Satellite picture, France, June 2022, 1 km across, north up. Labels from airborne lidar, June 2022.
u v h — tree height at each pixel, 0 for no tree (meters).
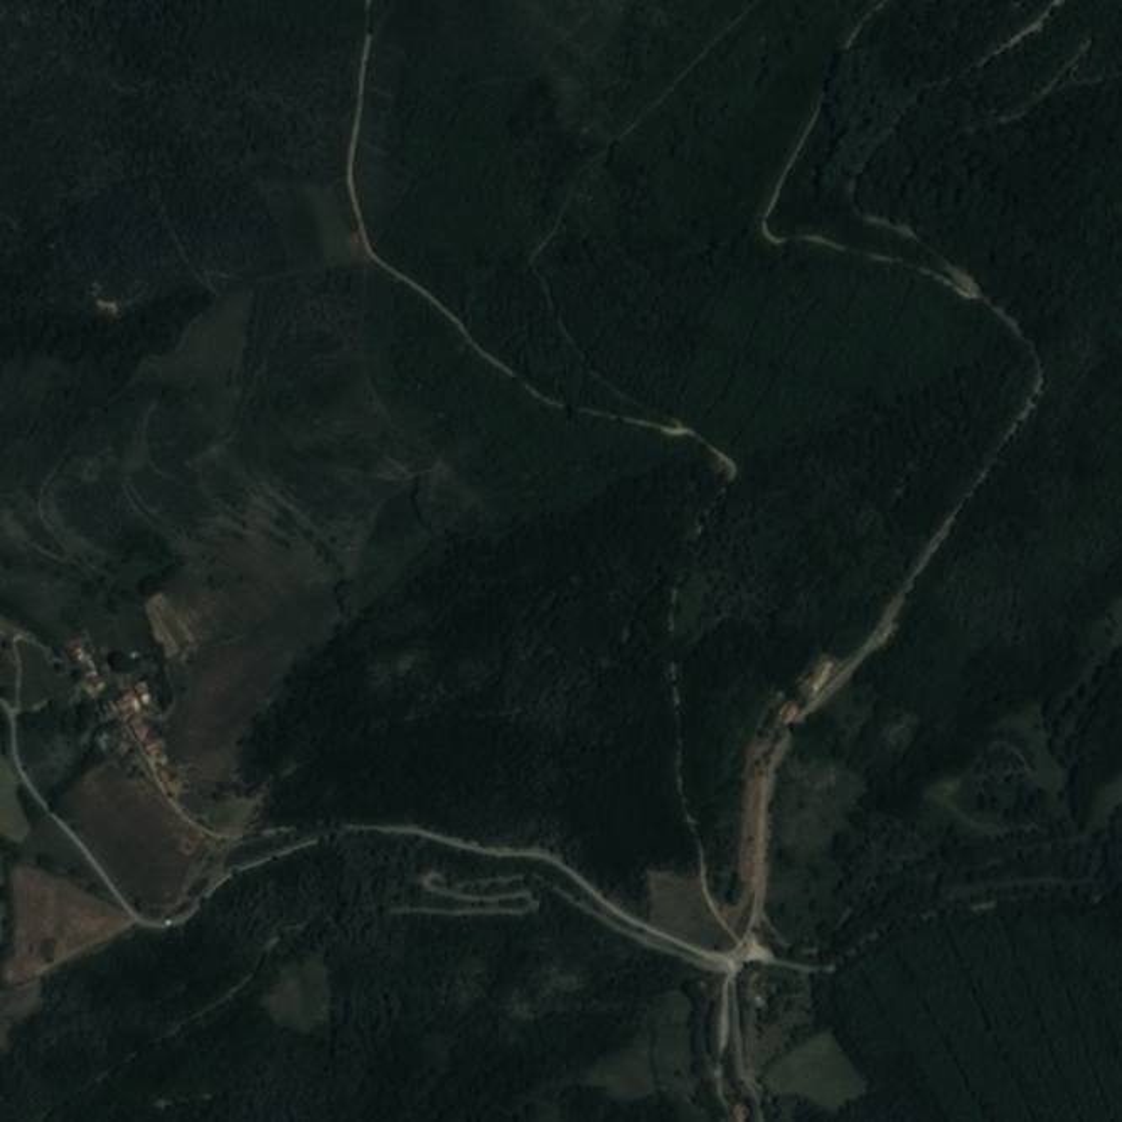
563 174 11
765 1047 0
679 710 8
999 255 24
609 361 11
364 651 6
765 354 13
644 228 9
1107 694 16
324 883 20
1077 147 26
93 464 0
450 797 10
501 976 12
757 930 9
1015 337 11
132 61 8
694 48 6
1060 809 0
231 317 0
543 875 8
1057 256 21
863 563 7
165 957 13
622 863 7
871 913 9
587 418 10
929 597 15
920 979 13
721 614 18
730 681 15
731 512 14
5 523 0
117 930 0
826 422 7
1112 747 17
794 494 6
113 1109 17
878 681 14
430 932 10
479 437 6
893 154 25
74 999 11
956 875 7
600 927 5
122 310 6
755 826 0
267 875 11
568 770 20
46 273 8
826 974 14
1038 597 13
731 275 12
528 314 11
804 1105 6
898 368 11
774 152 7
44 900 0
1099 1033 13
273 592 0
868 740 12
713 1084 8
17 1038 10
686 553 16
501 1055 13
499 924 13
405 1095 19
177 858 0
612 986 12
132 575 0
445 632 10
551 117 9
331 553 7
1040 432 13
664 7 6
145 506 0
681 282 7
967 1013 13
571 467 10
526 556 8
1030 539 9
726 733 10
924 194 23
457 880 12
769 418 11
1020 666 26
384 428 0
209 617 0
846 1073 0
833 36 7
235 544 0
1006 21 16
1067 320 17
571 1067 6
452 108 9
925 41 13
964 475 20
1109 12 19
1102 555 11
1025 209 23
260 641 0
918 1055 14
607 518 12
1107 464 18
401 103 8
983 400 22
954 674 9
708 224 10
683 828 7
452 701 7
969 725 23
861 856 14
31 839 0
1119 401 13
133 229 8
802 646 15
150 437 0
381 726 12
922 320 11
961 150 27
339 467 0
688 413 11
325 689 13
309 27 10
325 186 0
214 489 0
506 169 8
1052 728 15
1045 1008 14
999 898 7
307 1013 0
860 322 14
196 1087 16
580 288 10
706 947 0
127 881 0
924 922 12
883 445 18
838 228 11
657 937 0
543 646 16
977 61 18
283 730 7
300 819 7
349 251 0
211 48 6
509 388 11
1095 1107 13
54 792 8
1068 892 8
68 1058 12
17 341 7
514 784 13
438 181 8
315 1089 22
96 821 0
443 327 8
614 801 7
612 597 15
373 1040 18
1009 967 13
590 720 13
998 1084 13
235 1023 14
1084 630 23
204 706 0
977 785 0
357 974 10
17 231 8
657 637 21
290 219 0
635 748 11
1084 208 16
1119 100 20
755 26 7
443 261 8
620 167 16
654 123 6
